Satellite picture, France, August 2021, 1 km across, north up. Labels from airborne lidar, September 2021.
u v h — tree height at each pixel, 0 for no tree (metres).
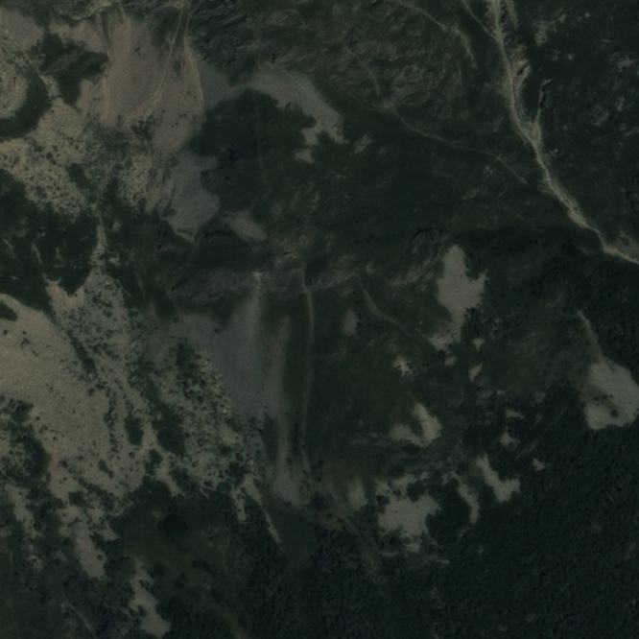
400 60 0
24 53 0
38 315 0
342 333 0
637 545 6
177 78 0
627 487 15
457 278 0
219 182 0
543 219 0
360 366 0
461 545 9
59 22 0
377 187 0
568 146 0
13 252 0
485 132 0
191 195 0
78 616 6
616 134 0
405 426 0
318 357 0
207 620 12
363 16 0
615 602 24
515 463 14
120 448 0
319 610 8
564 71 0
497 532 9
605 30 0
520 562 13
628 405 0
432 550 7
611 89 0
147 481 11
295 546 0
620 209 0
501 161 0
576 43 0
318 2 0
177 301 0
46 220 0
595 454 18
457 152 0
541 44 0
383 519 0
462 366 0
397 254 0
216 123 0
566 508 17
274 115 0
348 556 6
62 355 0
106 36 0
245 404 0
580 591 14
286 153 0
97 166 0
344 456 0
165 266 0
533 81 0
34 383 0
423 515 0
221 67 0
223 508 8
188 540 0
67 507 0
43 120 0
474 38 0
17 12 0
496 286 0
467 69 0
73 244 0
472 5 0
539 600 13
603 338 11
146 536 0
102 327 0
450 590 13
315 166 0
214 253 0
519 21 0
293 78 0
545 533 12
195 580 0
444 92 0
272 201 0
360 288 0
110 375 0
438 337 0
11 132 0
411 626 9
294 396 0
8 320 0
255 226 0
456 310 0
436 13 0
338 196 0
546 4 0
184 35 0
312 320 0
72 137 0
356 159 0
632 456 22
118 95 0
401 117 0
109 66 0
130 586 6
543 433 12
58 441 0
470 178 0
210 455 0
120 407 0
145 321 0
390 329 0
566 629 15
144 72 0
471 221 0
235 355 0
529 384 0
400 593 10
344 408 0
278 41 0
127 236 0
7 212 0
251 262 0
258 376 0
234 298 0
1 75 0
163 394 0
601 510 12
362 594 17
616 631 9
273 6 0
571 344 6
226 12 0
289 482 0
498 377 0
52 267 0
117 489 0
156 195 0
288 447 0
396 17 0
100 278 0
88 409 0
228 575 0
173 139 0
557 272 11
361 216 0
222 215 0
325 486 0
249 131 0
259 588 13
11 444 0
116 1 0
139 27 0
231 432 0
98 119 0
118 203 0
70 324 0
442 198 0
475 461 0
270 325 0
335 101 0
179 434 0
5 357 0
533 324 0
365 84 0
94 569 0
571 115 0
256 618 9
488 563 10
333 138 0
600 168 0
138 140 0
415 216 0
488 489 8
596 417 0
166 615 7
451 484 6
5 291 0
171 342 0
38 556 6
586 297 6
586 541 13
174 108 0
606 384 0
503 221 0
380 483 0
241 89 0
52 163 0
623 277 5
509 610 7
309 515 0
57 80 0
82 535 0
